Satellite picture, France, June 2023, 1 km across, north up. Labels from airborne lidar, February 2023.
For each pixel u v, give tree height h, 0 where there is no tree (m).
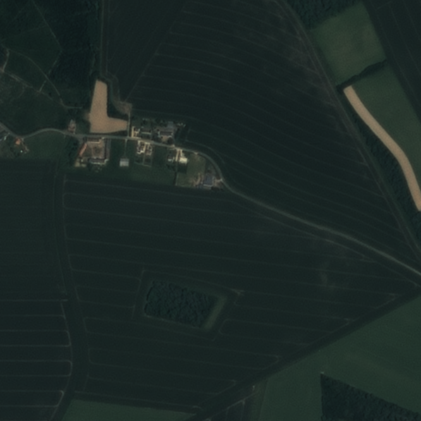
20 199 0
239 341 0
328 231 0
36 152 0
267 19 0
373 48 0
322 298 0
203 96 0
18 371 0
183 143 0
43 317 0
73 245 0
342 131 0
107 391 0
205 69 0
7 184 0
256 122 0
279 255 0
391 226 0
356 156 0
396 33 0
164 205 0
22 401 0
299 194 0
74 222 0
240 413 0
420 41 0
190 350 0
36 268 0
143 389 0
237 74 0
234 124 0
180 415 0
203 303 21
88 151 0
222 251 0
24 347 0
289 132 0
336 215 0
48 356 0
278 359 0
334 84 0
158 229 0
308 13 18
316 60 0
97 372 0
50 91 0
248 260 0
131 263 0
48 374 0
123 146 0
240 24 0
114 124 0
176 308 17
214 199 0
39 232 0
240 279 0
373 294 0
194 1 0
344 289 0
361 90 0
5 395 0
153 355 0
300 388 0
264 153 0
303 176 0
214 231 0
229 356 0
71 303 0
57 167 0
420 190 0
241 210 0
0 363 0
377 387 0
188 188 0
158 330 0
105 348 0
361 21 0
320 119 0
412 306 0
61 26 8
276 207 0
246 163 0
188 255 0
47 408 0
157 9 0
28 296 0
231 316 0
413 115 0
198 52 0
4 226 0
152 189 0
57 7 6
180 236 0
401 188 6
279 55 0
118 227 0
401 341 0
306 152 0
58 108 0
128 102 0
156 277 0
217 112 0
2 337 0
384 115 0
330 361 0
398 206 0
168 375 0
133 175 0
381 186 0
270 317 0
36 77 0
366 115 0
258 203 0
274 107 0
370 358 0
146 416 0
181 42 0
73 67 6
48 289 0
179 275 0
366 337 0
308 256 0
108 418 0
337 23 0
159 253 0
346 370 0
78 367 0
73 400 0
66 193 0
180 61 0
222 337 0
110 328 0
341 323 0
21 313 0
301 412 0
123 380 0
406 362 0
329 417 12
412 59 0
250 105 0
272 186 0
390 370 0
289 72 0
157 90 0
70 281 0
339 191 0
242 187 0
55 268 0
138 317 0
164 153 0
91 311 0
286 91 0
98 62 6
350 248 0
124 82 0
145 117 0
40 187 0
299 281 0
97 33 12
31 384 0
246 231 0
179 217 0
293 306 0
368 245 0
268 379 0
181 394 0
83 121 7
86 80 7
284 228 0
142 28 0
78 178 0
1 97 0
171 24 0
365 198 0
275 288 0
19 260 0
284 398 0
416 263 0
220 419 0
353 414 8
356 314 0
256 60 0
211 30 0
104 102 0
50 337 0
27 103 0
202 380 0
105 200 0
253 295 0
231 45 0
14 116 0
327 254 0
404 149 0
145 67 0
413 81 0
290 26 0
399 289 0
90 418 0
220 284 0
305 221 0
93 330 0
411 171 0
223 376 0
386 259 0
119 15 0
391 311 0
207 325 0
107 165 0
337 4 15
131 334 0
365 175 0
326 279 0
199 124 0
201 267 0
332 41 0
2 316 0
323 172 0
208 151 0
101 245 0
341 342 0
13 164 0
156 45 0
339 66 0
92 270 0
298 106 0
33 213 0
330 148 0
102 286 0
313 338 0
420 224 14
